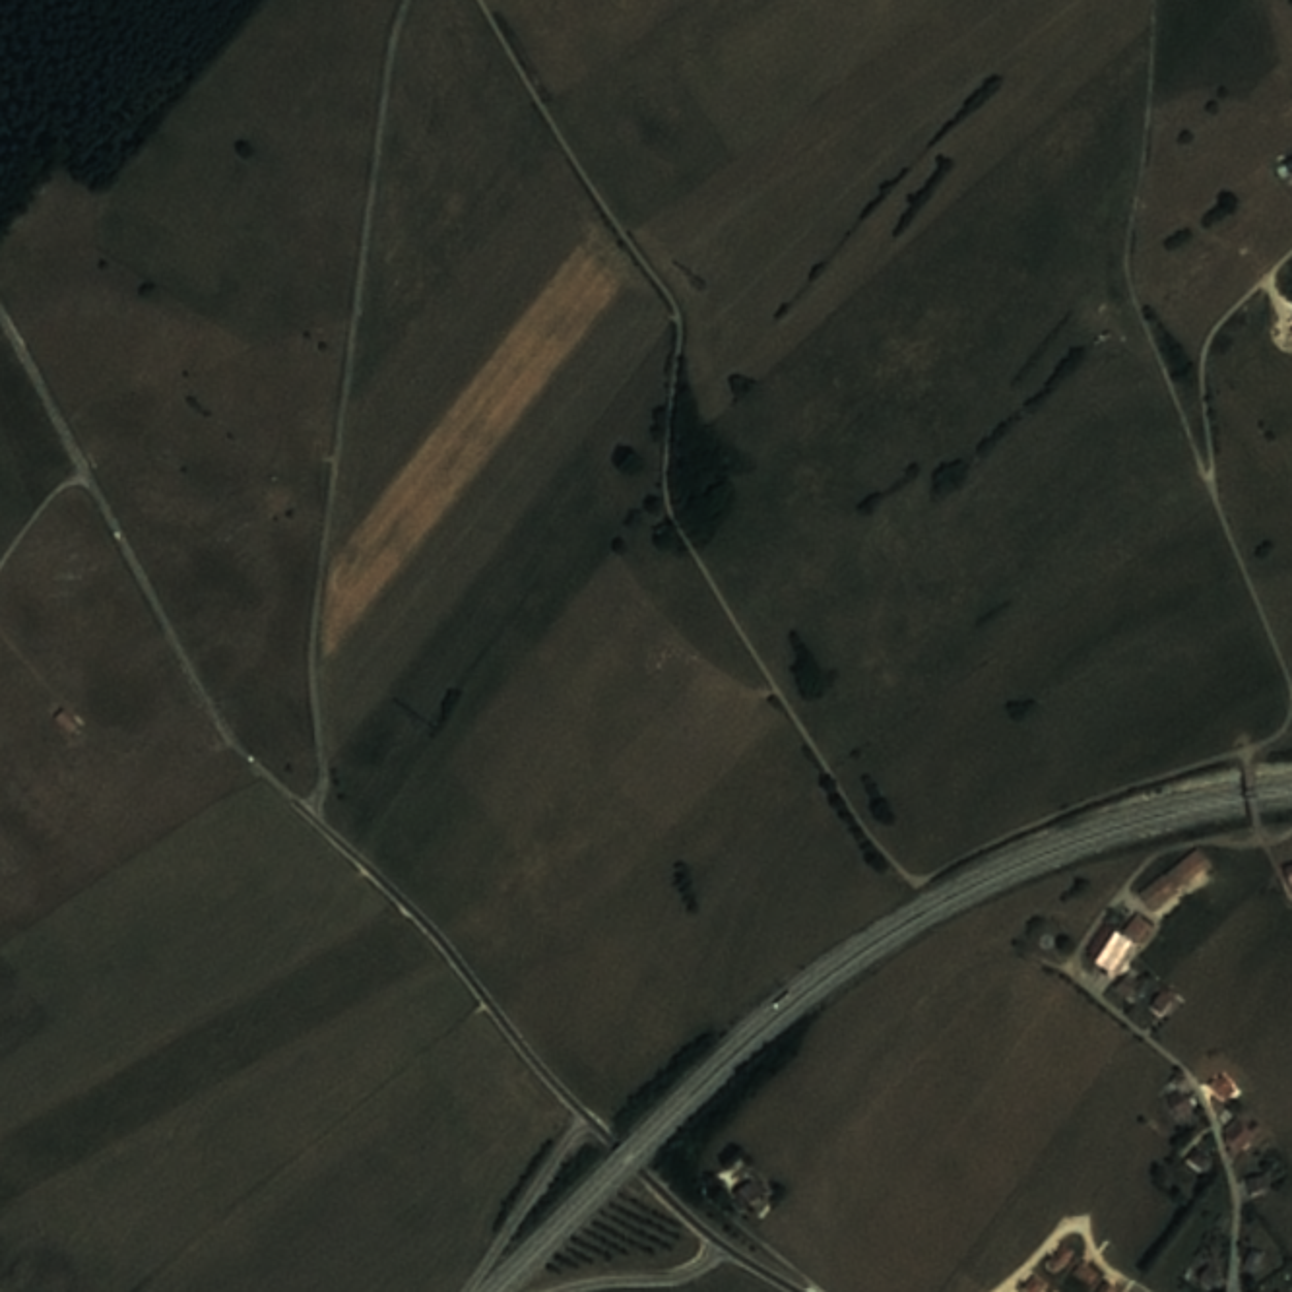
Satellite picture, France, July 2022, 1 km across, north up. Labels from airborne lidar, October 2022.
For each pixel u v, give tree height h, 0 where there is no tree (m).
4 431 0
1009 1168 0
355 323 0
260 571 0
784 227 0
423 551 0
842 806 15
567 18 0
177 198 0
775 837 0
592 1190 0
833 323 0
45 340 0
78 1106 0
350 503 0
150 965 0
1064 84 0
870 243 0
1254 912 0
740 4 0
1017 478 0
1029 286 0
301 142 0
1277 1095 0
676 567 0
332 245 0
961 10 0
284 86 0
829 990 0
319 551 0
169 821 0
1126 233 0
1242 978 0
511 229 0
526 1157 0
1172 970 0
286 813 0
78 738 0
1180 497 0
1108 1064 0
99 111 24
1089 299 0
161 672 0
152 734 0
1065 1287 0
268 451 0
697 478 9
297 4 0
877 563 0
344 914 0
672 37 0
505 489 0
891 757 0
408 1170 0
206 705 0
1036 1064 0
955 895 0
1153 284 0
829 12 0
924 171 0
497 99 0
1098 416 0
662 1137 0
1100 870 0
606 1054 0
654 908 0
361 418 0
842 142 0
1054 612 0
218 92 0
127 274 0
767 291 0
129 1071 0
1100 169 0
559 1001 0
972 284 0
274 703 0
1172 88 0
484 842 0
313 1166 0
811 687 8
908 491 0
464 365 0
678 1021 0
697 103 0
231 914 0
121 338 0
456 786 0
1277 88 0
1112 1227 0
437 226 0
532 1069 0
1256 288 0
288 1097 0
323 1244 0
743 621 0
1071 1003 0
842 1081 0
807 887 0
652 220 0
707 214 0
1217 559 0
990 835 0
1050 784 0
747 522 0
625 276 0
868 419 0
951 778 0
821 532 0
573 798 0
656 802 0
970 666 0
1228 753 0
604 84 0
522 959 0
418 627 0
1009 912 0
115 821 0
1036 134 0
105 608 0
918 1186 0
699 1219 0
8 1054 0
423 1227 0
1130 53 0
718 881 0
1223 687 0
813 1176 0
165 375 0
